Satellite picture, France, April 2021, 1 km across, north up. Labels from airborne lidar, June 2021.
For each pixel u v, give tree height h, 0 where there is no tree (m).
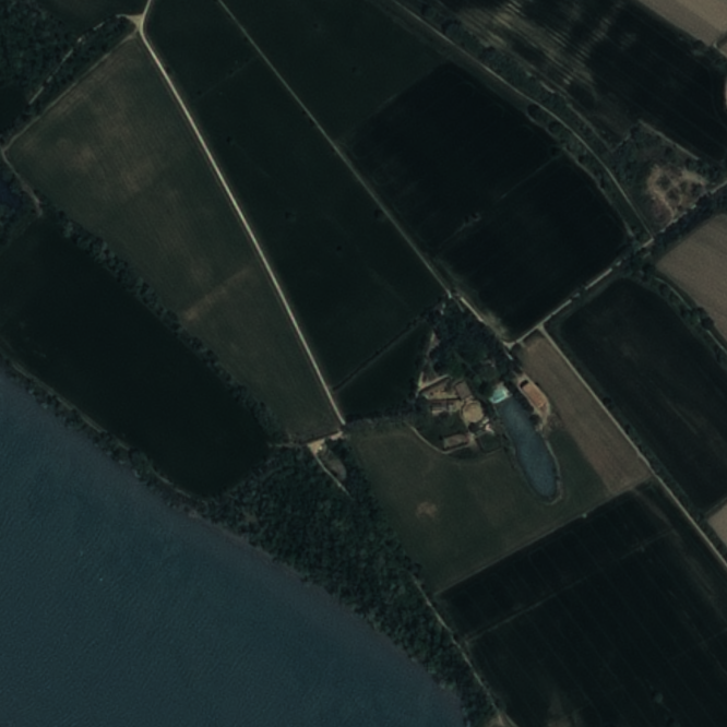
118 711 0
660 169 0
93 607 0
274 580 0
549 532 0
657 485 0
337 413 0
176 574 0
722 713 0
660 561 0
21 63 15
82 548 0
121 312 0
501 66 15
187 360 0
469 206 0
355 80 0
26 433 0
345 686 0
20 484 0
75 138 0
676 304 10
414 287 0
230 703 0
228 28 0
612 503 0
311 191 0
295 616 0
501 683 0
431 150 0
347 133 0
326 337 0
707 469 0
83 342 0
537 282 0
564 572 0
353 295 0
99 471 0
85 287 0
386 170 0
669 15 0
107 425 0
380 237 0
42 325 0
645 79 0
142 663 0
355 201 0
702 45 10
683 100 0
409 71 0
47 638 0
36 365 0
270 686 0
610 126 0
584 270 0
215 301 0
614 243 0
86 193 0
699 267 0
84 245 18
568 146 12
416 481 0
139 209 0
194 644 0
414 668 0
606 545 0
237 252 0
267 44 0
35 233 0
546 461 0
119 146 0
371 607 8
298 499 11
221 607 0
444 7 0
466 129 0
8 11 18
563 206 0
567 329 0
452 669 19
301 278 0
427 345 15
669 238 9
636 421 0
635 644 0
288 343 0
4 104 0
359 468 10
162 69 0
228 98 0
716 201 8
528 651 0
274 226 0
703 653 0
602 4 0
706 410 0
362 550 21
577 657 0
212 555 0
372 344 0
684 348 0
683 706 0
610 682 0
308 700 0
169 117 0
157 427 0
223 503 16
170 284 0
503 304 0
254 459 0
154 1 0
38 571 0
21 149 0
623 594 0
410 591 12
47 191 0
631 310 0
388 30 0
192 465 0
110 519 0
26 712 0
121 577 0
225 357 0
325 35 0
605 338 0
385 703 0
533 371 0
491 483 0
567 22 0
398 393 0
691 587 0
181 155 0
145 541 0
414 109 0
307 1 0
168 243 0
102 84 0
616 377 0
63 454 0
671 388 0
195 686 0
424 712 0
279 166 0
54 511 0
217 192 0
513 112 0
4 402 0
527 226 0
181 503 9
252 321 0
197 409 0
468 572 0
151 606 0
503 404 0
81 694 0
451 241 0
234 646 0
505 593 0
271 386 0
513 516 0
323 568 24
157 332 0
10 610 0
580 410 0
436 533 0
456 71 0
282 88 0
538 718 0
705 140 0
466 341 17
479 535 0
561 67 0
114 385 0
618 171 12
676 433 0
